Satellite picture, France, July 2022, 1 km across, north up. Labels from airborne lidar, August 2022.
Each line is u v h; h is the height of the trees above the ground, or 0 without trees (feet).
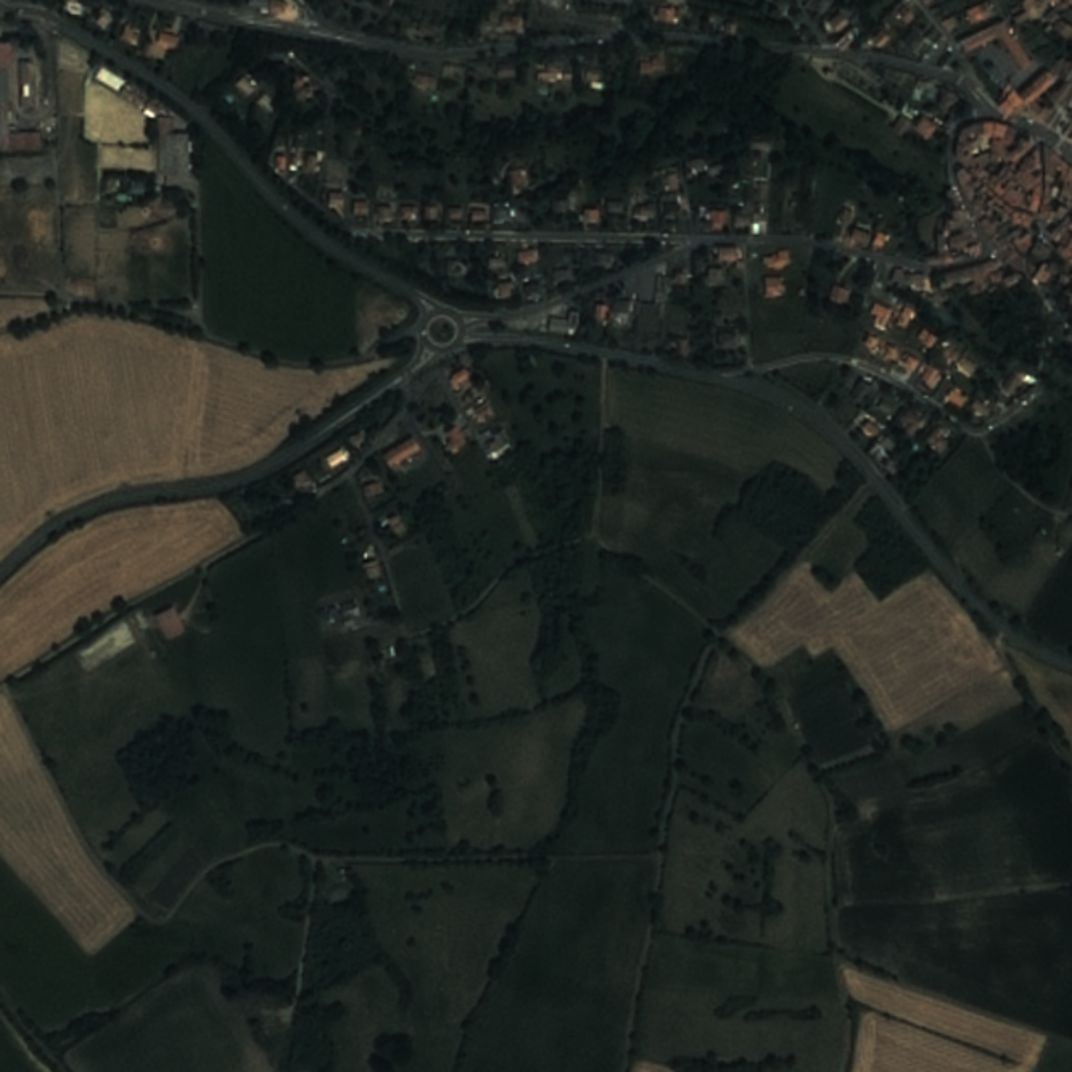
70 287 0
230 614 0
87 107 0
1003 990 0
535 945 0
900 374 0
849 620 0
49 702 0
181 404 0
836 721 0
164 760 43
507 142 68
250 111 18
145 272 0
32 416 0
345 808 23
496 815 24
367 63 56
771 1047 0
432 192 55
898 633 0
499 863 21
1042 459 21
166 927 0
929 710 0
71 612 0
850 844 0
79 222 0
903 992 0
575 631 42
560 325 0
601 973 0
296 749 18
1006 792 0
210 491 0
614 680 0
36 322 23
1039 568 0
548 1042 0
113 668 0
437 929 0
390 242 35
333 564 0
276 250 0
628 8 22
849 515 0
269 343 0
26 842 0
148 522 0
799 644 0
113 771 0
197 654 0
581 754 41
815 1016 23
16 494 0
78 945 0
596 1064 0
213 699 0
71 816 0
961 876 0
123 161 0
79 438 0
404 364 0
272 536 29
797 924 0
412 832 22
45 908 0
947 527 0
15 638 0
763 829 0
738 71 67
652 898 37
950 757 0
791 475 34
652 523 0
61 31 0
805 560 0
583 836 0
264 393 0
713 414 0
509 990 0
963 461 0
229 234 0
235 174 0
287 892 0
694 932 33
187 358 0
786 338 0
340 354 0
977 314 23
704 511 0
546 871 26
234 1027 0
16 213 0
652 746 0
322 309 0
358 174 28
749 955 0
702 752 0
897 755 0
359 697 0
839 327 0
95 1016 20
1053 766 0
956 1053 0
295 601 0
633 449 0
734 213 35
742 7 36
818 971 0
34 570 0
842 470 30
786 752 0
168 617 0
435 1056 0
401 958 0
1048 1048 0
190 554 0
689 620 0
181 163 0
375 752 41
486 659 0
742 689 0
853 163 37
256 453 0
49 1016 0
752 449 0
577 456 38
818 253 31
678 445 0
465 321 0
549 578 24
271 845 0
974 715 0
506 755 0
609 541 0
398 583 0
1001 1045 0
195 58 0
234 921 0
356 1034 0
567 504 30
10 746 0
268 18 0
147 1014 0
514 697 0
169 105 26
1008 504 0
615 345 18
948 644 0
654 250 57
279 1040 0
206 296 0
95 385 0
